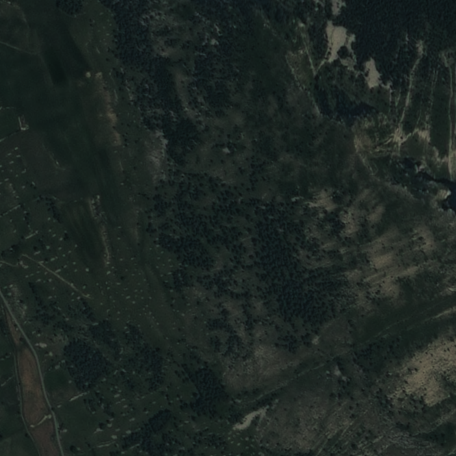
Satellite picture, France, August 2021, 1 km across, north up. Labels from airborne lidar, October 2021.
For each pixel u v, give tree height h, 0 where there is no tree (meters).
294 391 0
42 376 0
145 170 0
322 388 0
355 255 0
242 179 0
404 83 8
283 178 0
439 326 0
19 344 0
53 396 0
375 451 6
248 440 0
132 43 10
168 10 0
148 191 0
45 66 0
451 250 0
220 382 7
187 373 11
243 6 6
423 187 0
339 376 0
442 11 8
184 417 0
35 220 0
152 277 0
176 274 7
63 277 0
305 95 0
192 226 12
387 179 0
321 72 6
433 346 0
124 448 12
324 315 9
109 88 0
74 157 0
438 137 0
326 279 8
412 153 0
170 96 8
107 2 11
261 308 0
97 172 0
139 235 0
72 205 0
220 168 0
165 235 7
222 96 11
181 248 9
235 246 9
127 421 0
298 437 0
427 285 0
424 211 0
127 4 9
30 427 0
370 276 0
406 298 0
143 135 0
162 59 9
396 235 0
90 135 0
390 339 0
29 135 0
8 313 0
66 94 0
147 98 7
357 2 6
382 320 0
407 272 0
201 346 0
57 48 0
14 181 0
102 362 12
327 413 0
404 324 0
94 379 9
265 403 7
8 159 0
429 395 0
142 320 0
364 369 7
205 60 8
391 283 0
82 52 0
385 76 6
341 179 0
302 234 9
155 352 10
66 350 11
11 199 0
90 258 0
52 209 6
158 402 0
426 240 0
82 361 6
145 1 7
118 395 0
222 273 6
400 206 0
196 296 0
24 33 0
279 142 0
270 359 0
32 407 0
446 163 0
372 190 0
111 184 0
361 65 7
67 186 0
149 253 0
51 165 0
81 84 0
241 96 0
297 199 7
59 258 0
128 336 7
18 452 0
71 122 0
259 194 0
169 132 9
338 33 0
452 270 0
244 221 0
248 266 8
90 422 0
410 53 8
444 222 0
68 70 0
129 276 0
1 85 0
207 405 24
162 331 0
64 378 0
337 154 0
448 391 0
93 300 0
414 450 0
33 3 0
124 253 0
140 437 6
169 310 0
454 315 0
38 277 0
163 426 16
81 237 0
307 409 0
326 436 0
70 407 0
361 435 0
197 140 8
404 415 0
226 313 9
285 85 0
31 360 0
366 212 0
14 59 0
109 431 0
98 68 0
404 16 6
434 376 0
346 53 6
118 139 0
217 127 0
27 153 0
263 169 10
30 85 0
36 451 0
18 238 0
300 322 0
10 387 0
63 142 0
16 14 0
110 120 0
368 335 0
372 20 7
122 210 0
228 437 0
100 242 0
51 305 7
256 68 0
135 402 0
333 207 0
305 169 0
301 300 16
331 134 0
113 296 0
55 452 0
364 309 0
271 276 14
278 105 0
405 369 0
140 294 0
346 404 0
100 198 0
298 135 0
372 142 0
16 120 0
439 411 0
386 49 8
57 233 0
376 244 0
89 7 0
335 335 0
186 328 0
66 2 10
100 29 0
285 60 0
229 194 17
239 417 8
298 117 0
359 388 0
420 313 0
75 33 0
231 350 10
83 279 0
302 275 11
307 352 0
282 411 0
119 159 0
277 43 0
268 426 0
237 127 7
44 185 0
